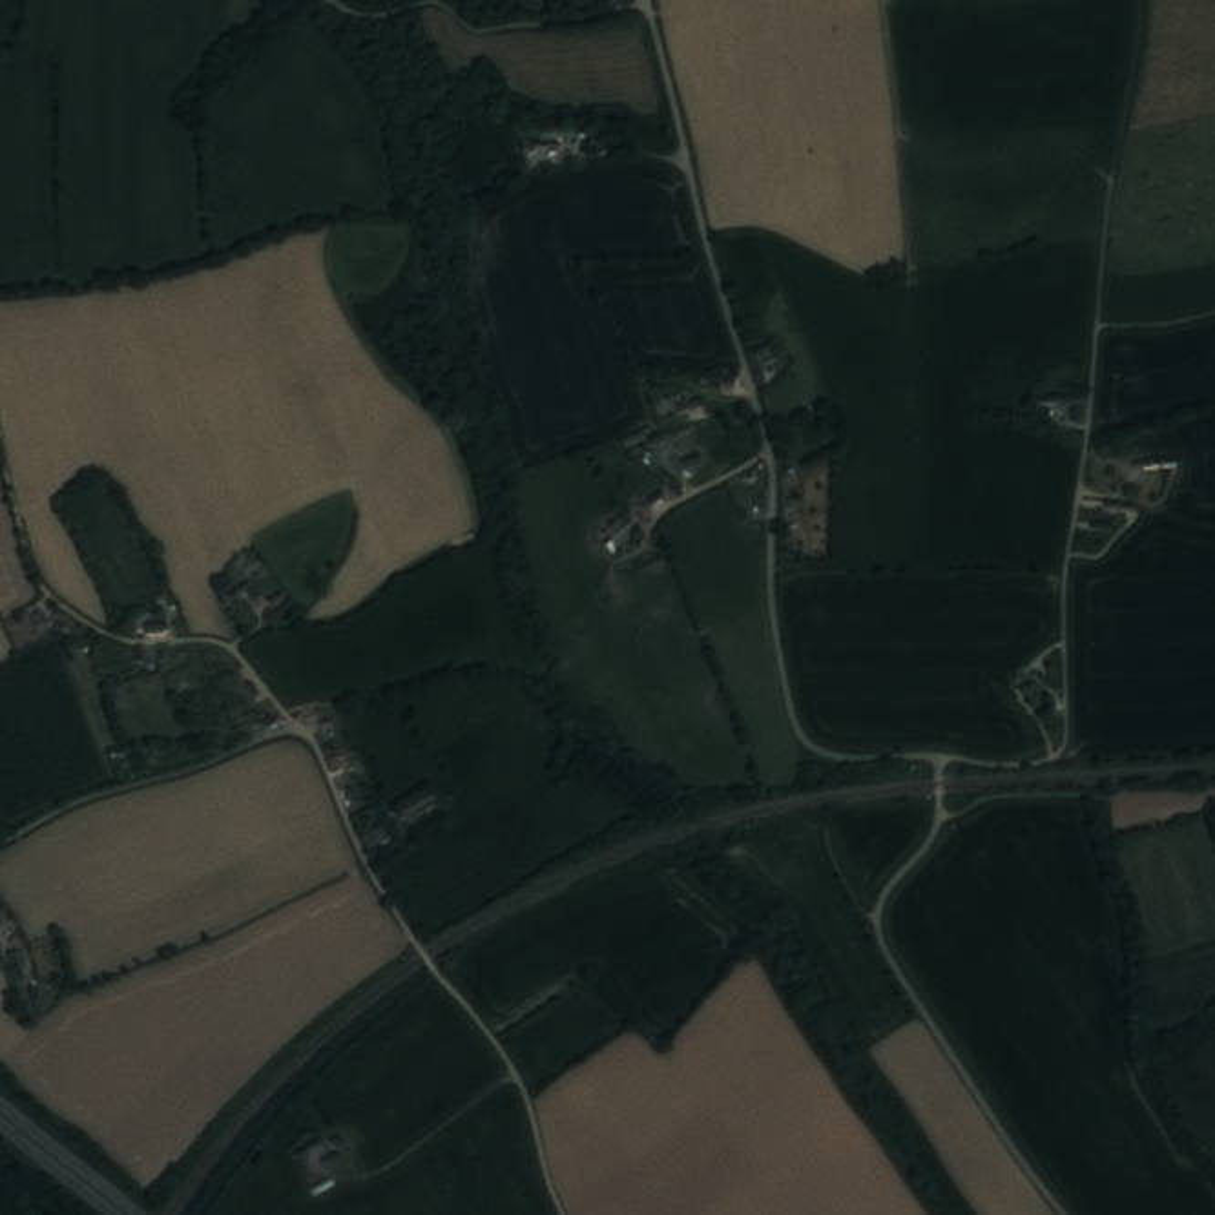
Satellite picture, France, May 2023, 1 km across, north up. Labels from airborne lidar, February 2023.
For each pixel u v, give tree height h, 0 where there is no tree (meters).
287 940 0
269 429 0
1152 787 10
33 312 0
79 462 0
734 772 0
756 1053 0
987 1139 0
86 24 0
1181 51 0
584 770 15
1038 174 0
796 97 0
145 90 0
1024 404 10
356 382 0
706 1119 0
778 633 0
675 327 0
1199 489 0
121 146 0
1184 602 0
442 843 0
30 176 0
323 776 0
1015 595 0
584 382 0
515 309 0
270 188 0
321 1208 0
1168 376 0
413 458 0
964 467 0
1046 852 0
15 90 0
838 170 0
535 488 0
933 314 0
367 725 0
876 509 0
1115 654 0
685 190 0
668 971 0
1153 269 0
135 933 0
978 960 0
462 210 9
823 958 0
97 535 0
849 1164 0
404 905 12
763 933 10
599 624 0
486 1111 0
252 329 0
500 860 0
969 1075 0
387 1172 0
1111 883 19
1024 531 0
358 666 0
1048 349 0
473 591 0
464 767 0
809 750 0
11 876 0
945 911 0
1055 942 0
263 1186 0
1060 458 0
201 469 0
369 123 0
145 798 0
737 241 0
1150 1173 0
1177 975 0
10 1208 17
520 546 8
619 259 11
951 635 0
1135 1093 0
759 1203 0
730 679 0
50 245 0
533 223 0
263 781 0
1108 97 0
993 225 0
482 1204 0
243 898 0
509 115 14
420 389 14
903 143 0
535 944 0
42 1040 0
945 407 0
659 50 0
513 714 0
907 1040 0
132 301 0
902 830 0
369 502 0
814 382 0
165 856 0
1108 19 0
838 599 0
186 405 0
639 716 0
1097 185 0
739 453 0
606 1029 0
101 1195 0
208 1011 0
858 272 0
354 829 8
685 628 0
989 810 0
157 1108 0
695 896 0
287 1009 0
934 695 0
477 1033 0
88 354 0
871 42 0
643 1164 0
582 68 0
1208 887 0
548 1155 0
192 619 0
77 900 0
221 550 0
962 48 0
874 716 0
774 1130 0
